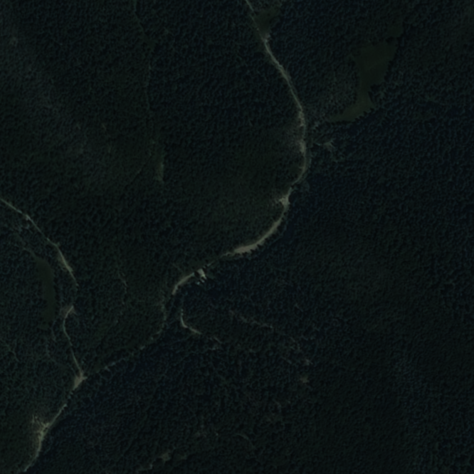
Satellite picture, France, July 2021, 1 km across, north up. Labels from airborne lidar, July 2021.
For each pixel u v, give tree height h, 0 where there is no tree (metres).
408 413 9
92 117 22
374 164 14
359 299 15
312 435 21
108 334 18
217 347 12
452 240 20
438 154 28
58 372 25
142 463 22
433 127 26
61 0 23
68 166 10
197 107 31
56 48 11
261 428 25
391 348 14
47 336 14
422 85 9
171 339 25
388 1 18
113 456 22
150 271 16
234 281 16
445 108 18
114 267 12
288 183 14
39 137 15
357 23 16
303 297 20
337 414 22
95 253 16
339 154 9
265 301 30
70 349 8
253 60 22
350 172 29
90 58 13
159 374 21
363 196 30
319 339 25
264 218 13
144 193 24
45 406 7
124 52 22
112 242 12
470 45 6
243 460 22
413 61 16
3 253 22
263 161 16
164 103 17
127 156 15
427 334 19
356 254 11
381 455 29
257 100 9
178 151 25
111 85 15
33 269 23
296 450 27
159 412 20
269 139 16
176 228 31
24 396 13
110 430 24
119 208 22
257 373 22
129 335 19
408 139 24
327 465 19
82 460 19
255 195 10
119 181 13
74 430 32
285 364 22
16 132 14
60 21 27
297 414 22
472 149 35
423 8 28
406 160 25
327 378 23
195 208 13
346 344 28
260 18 0
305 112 7
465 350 22
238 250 0
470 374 30
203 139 22
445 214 29
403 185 17
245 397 28
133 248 21
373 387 23
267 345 31
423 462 8
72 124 12
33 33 18
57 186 15
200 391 28
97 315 20
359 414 25
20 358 22
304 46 14
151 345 8
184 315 6
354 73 16
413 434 12
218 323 16
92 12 25
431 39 24
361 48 11
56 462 19
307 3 26
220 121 31
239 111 26
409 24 21
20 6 28
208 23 37
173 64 24
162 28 20
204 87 31
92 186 15
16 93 11
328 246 11
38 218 15
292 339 22
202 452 15
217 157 22
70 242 22
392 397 16
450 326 20
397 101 32
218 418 23
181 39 25
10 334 18
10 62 7
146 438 23
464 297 24
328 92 10
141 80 19
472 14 13
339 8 23
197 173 17
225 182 10
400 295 19
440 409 20
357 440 23
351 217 24
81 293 13
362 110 0
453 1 33
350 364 26
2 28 8
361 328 19
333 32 23
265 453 9
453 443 27
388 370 17
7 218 15
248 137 18
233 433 20
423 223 26
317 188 18
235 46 24
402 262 21
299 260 26
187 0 24
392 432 22
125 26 30
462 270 21
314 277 13
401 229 24
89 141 12
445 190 33
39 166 20
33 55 13
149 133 18
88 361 16
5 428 16
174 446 17
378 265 16
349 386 24
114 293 8
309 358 18
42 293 15
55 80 16
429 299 21
